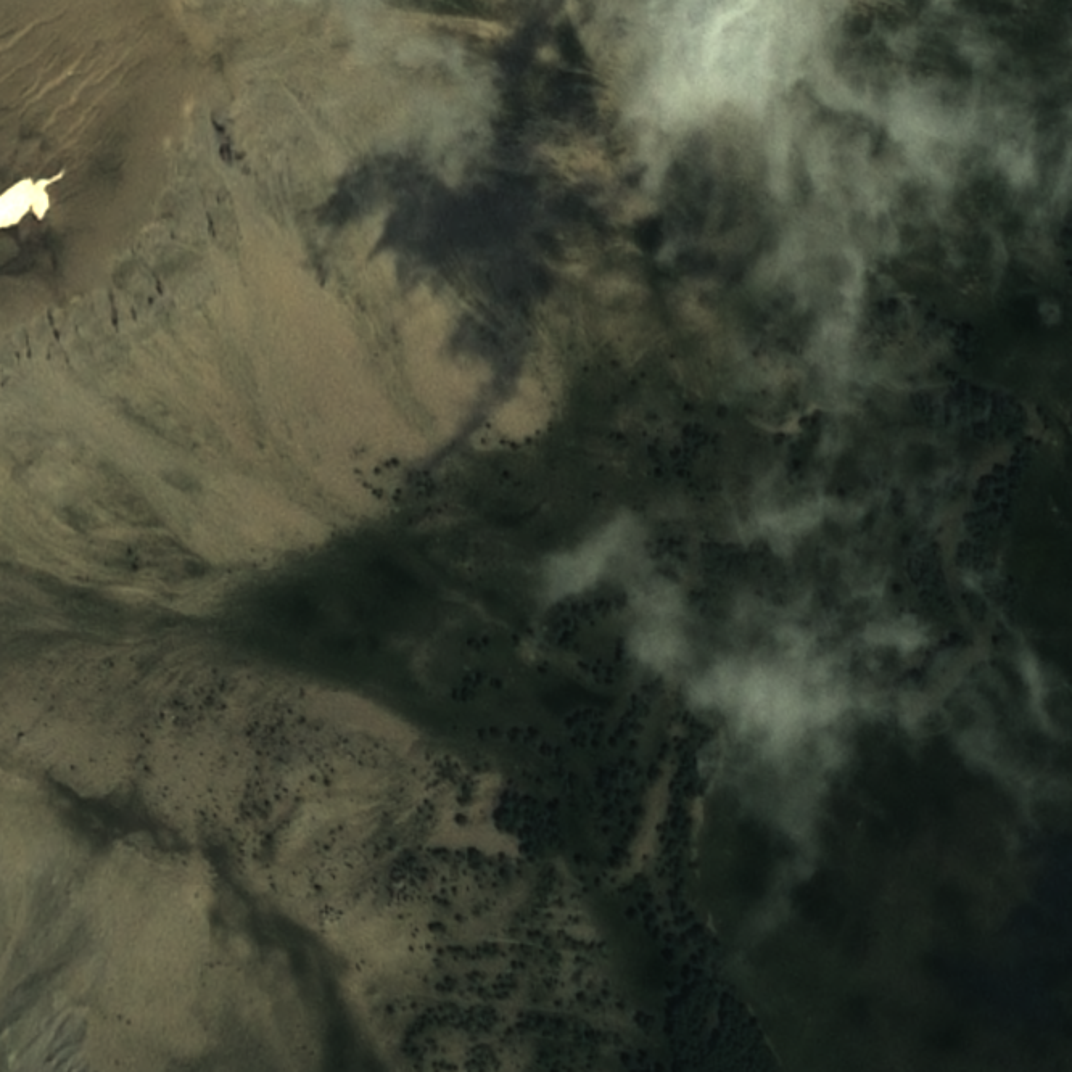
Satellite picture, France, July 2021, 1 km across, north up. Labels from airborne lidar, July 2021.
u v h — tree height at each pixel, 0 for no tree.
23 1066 0
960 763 0
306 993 0
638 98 0
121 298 0
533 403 0
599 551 0
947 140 0
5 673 0
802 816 0
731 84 0
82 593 0
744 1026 24
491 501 0
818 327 0
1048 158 0
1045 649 0
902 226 0
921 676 16
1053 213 0
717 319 0
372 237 0
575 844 0
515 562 0
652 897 15
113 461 0
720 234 0
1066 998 0
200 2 0
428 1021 7
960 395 23
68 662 0
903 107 0
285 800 0
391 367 0
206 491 0
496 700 0
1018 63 0
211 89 0
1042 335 0
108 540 0
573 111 0
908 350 0
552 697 0
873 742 0
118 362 0
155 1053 0
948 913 0
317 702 0
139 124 0
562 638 7
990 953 0
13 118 0
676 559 8
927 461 0
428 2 0
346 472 0
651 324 0
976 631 0
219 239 0
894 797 0
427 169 0
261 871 0
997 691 0
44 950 0
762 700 0
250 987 0
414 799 0
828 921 0
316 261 0
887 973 0
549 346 0
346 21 0
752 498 0
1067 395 0
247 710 0
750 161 0
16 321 0
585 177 0
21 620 0
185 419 0
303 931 0
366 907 0
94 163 0
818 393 0
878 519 0
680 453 14
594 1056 9
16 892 0
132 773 0
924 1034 0
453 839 0
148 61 0
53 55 0
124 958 0
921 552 8
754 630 0
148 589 0
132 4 0
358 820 0
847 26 0
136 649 0
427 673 0
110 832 0
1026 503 0
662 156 0
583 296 0
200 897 0
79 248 0
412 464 0
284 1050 0
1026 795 0
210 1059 0
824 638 17
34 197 0
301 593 0
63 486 0
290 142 0
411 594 0
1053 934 0
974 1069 0
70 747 0
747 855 0
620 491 0
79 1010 0
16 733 0
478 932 0
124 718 0
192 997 0
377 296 0
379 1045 0
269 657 0
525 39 0
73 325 0
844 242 0
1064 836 0
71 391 0
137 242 0
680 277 0
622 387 0
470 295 0
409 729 0
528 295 0
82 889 0
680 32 0
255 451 0
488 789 0
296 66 0
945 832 0
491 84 0
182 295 0
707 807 0
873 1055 0
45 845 0
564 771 11
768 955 0
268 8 0
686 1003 19
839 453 0
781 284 0
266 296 0
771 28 0
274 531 0
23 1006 0
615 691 0
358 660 0
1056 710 0
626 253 0
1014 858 0
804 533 0
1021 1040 0
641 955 0
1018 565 0
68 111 0
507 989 8
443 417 0
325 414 0
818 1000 0
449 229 0
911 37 0
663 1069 20
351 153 0
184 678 0
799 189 0
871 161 0
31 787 0
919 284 0
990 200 0
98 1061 0
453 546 0
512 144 0
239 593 0
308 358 0
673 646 0
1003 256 0
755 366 0
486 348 0
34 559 0
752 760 0
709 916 0
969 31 0
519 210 0
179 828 0
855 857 0
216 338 0
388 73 0
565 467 0
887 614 0
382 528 0
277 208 0
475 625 0
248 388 0
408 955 0
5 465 0
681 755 7
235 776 0
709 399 0
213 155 0
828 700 0
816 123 0
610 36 0
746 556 10
